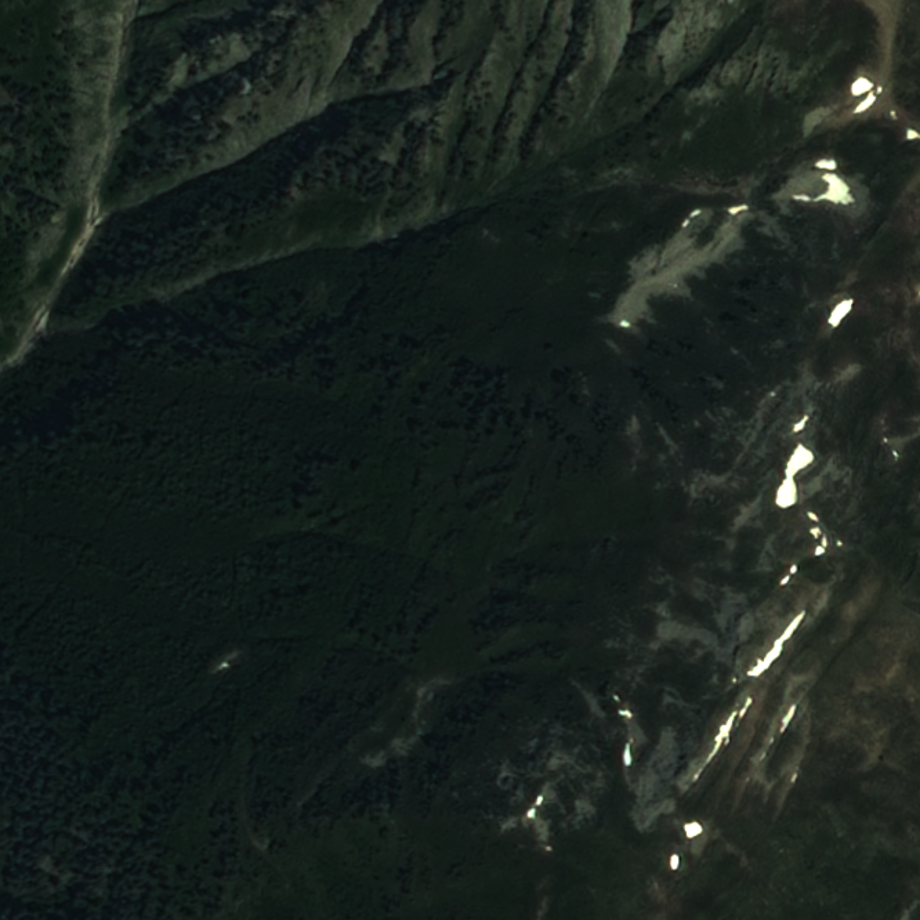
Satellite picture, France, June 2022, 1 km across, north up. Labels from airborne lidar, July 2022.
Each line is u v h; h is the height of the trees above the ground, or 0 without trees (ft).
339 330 22
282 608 31
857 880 0
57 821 50
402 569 0
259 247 0
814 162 0
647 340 0
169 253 60
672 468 0
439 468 0
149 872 32
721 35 0
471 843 0
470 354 0
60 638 32
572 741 0
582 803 0
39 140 32
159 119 26
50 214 80
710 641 0
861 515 0
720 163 0
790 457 0
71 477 23
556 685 0
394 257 20
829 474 0
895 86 0
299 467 28
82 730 22
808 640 0
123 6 0
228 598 20
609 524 0
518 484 0
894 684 0
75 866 47
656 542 0
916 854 0
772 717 0
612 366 0
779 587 0
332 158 59
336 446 20
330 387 48
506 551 0
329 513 23
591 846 0
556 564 0
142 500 20
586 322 0
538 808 0
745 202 0
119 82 0
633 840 0
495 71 0
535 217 0
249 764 18
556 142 0
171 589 31
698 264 0
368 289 31
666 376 0
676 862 0
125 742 18
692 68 0
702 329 0
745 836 0
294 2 0
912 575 0
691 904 0
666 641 0
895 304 0
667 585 0
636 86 0
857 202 0
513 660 20
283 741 43
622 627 0
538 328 0
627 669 0
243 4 0
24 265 42
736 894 0
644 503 0
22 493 19
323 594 19
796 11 0
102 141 0
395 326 19
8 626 29
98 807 23
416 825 0
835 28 0
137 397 17
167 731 18
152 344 32
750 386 0
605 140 0
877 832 0
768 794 0
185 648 23
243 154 0
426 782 27
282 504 23
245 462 33
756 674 0
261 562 34
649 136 23
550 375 0
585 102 0
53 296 0
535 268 0
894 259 0
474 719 20
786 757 0
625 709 0
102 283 93
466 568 0
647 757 0
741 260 0
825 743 0
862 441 0
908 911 0
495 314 0
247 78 56
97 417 22
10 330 49
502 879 0
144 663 23
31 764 68
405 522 0
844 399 0
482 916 0
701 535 0
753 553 0
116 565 24
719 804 0
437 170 0
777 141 0
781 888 0
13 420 29
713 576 0
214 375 23
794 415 0
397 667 0
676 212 0
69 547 26
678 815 0
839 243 0
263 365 27
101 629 20
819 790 0
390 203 26
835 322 0
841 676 0
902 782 0
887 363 0
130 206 0
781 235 0
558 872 0
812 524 0
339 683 0
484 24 0
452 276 0
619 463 0
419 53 0
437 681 0
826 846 0
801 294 0
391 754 0
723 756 0
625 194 0
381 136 53
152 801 28
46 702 30
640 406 0
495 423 32
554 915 0
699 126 0
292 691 0
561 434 26
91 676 30
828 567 0
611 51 0
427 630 26
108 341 24
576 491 0
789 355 0
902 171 0
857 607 0
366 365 26
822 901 0
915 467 0
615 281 0
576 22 34
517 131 0
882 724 0
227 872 27
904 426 0
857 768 0
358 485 22
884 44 0
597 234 0
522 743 0
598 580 0
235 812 34
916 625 0
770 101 0
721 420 0
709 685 0
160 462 18
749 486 0
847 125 0
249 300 48
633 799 0
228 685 28
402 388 28
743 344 0
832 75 0
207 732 31
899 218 0
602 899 0
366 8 0
